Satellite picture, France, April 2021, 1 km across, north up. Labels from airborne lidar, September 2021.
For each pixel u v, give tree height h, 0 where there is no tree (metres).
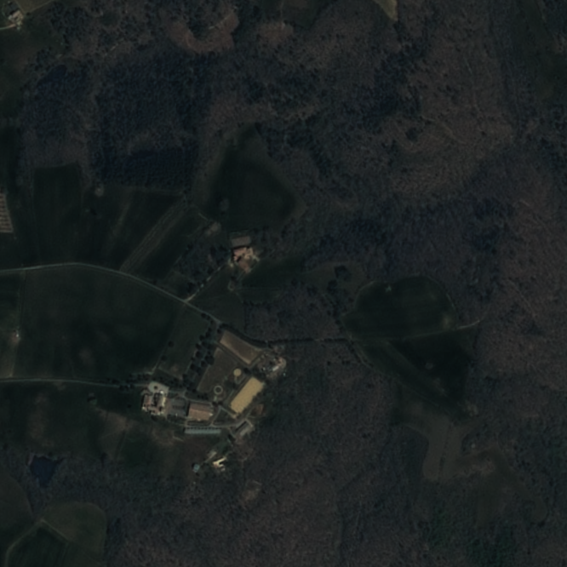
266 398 0
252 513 8
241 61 12
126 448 0
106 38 10
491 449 0
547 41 0
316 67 9
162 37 18
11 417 0
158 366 0
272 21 14
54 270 0
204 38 9
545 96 0
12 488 0
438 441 0
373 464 8
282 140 10
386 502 9
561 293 12
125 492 9
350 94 8
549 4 11
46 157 14
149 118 16
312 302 14
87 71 14
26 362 0
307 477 13
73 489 15
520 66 7
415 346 0
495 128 11
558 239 12
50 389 0
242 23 15
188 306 0
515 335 10
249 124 0
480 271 10
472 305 14
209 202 0
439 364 0
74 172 0
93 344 0
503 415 12
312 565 9
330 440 9
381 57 9
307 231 11
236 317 0
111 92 11
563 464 12
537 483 7
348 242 16
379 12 7
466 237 16
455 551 8
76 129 12
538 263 14
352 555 9
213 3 6
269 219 0
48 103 24
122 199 0
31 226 0
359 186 13
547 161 22
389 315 0
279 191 0
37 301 0
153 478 10
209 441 0
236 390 12
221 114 7
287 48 10
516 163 17
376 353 0
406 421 0
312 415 7
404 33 13
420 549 7
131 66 15
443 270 16
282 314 10
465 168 10
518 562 9
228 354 0
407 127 7
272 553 10
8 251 0
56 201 0
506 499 0
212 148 7
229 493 14
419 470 0
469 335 0
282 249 9
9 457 11
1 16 0
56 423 0
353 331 0
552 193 11
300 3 0
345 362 6
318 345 11
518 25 0
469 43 13
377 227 14
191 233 0
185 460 0
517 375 14
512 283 10
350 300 8
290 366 6
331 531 8
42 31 0
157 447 0
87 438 0
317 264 13
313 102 9
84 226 0
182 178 16
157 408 0
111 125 14
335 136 14
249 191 0
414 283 0
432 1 12
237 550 12
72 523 0
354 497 6
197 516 11
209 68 22
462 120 13
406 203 25
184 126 22
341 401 8
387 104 18
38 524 0
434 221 18
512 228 11
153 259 0
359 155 10
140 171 20
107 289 0
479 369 16
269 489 8
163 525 15
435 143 6
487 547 14
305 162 8
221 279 0
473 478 12
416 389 0
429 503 0
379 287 0
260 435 8
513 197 10
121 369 0
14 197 0
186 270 9
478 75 11
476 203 15
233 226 0
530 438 15
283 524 9
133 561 10
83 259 0
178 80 18
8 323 0
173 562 11
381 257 17
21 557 0
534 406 16
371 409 7
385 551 9
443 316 0
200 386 0
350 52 11
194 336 0
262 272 0
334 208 9
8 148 0
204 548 13
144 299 0
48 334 0
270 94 8
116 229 0
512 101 18
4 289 0
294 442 10
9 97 0
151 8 16
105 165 13
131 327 0
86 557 0
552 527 8
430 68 10
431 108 9
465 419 0
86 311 0
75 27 11
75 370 0
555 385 15
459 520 11
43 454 0
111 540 7
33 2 0
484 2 9
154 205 0
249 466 10
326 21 6
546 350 10
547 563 7
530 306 10
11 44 0
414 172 10
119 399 0
